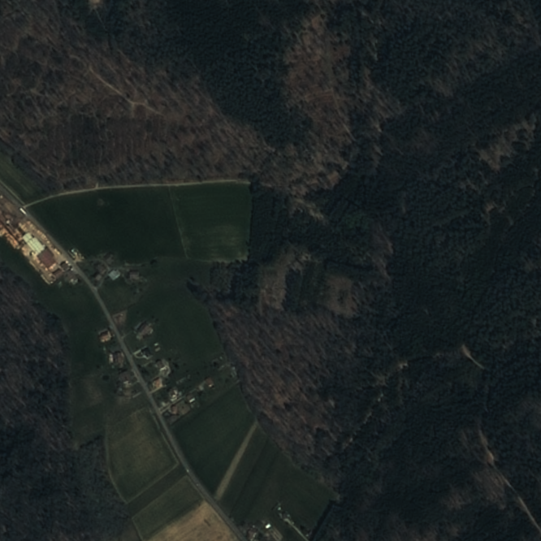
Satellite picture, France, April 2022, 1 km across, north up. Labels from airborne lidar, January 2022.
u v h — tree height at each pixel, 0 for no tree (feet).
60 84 87
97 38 30
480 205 46
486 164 25
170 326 0
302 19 62
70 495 89
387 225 49
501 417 76
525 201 29
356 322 46
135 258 0
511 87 83
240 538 0
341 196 74
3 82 27
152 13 78
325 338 88
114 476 0
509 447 97
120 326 0
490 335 65
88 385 0
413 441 52
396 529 53
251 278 98
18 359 87
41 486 88
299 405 31
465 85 73
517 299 91
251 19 64
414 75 89
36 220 0
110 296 0
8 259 0
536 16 61
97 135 26
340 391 56
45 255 0
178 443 0
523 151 28
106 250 0
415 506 54
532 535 65
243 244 0
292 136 86
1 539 85
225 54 88
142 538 0
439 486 53
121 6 74
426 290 71
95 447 48
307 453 97
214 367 22
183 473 0
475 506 43
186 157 0
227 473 0
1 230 0
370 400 47
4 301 101
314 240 53
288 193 75
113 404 0
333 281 0
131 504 0
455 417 64
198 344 0
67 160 27
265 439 0
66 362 80
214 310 93
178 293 0
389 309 86
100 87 0
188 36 71
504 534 53
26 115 97
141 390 0
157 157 0
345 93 92
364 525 51
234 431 0
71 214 0
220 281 50
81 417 0
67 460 88
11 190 0
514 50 59
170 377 19
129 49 79
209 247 0
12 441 89
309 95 100
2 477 35
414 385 36
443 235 82
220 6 59
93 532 71
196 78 88
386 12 74
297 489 0
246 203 0
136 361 0
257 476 0
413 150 53
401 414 89
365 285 90
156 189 0
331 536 62
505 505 49
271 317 82
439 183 36
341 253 65
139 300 0
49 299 0
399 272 89
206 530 0
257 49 51
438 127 49
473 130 57
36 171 86
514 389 104
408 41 98
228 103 94
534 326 27
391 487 55
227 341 78
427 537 45
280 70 106
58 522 88
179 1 67
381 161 83
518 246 38
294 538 0
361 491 70
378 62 21
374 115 102
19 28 85
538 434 76
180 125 0
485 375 21
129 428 0
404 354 56
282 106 92
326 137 81
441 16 71
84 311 0
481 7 52
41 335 90
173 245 0
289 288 0
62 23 84
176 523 0
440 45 41
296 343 96
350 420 93
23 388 86
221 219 0
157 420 0
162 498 0
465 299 66
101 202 0
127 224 0
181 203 0
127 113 98
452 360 84
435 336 51
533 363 111
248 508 0
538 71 87
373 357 101
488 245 31
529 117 30
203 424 0
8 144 24
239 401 0
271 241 48
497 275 50
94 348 0
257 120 83
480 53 71
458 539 45
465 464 81
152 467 0
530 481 80
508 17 44
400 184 56
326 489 0
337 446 87
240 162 93
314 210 0
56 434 86
